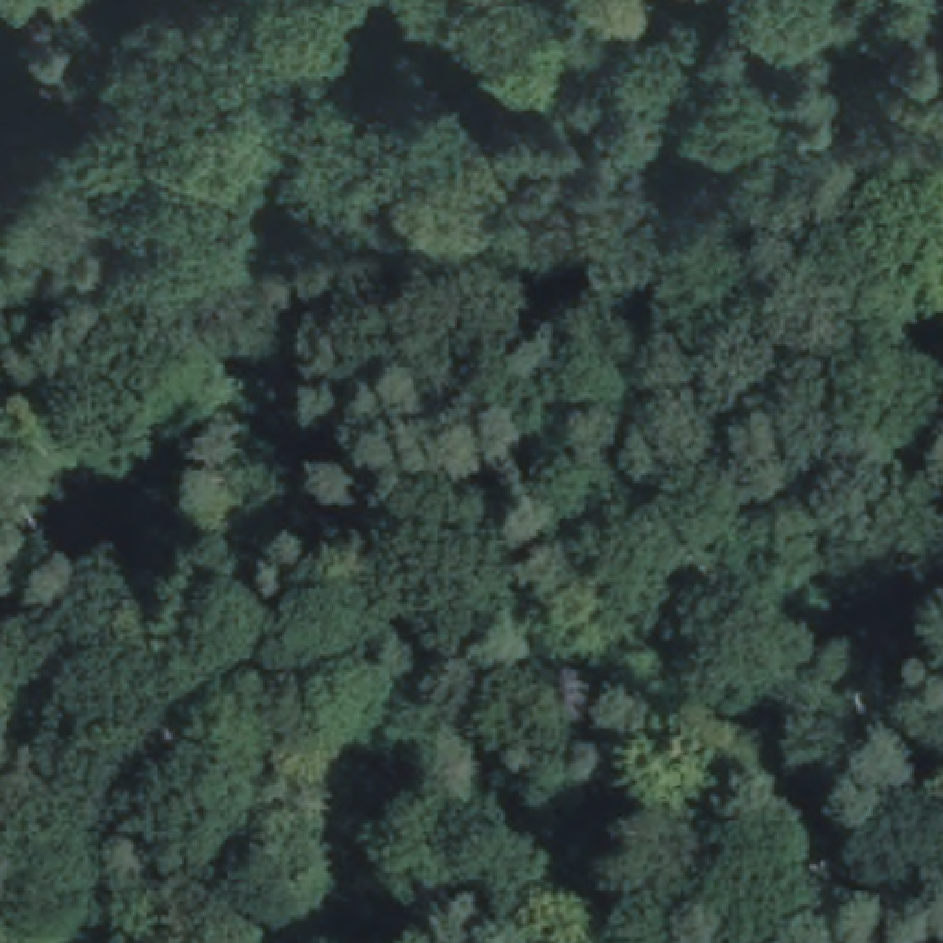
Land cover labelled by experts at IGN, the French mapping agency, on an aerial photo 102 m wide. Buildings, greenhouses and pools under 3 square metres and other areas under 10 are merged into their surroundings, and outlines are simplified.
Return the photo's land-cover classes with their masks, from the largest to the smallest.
<instances>
[{"label":"deciduous trees","instance_id":"1","mask_svg":"<svg viewBox=\"0 0 943 943\"><path fill-rule=\"evenodd\" d=\"M133 162L140 188L133 195H92L88 225L96 239L129 247L133 254H144V243H158V273L144 280L122 276L111 287L107 302L55 317L52 332L37 335L22 357H0V379L15 376L29 383L33 376H48L44 416H37L26 398H7V405L0 409V438L11 442V453L26 446V453L52 475L37 519L22 523V549L7 564V593L26 600L22 615L0 623V943H866L877 925V906L906 910V921L888 936L891 943H943V0H0V236H11V228L22 217H29L44 180L88 177L92 169ZM298 390H328L332 409L313 424H302ZM405 424L416 427L420 449H431L442 435L468 427L475 468L494 464L512 490L516 508L508 512V519L501 527H490L483 519L479 494H453L460 479L453 472H409L398 442V427ZM376 427H383V442L390 453L383 468L354 460L361 438ZM508 611L527 641V656L479 663L472 670L468 696L457 711L453 729L472 748L475 785L464 799H453L446 774L427 770L435 763L438 726L427 711L413 704L420 700V681L427 674H442L446 645H453L457 656H464L468 648L483 645L497 619ZM604 689H623L630 700H641L645 726L630 733L597 726L593 718ZM685 704L704 707L715 722L737 726L751 737L759 763L774 781V792L785 799L774 814L748 807L740 796H733L729 777L744 774V766L729 755H718L707 766L704 785L681 807L659 799L641 803L630 792L623 770L630 740H652L656 751H667L670 715Z\"/></svg>","mask_w":943,"mask_h":943},{"label":"coniferous trees","instance_id":"2","mask_svg":"<svg viewBox=\"0 0 943 943\"><path fill-rule=\"evenodd\" d=\"M140 188L133 162L92 169L88 177L44 180L29 217H22L11 228V236H0V357H22L37 335L52 332L55 317L107 302L111 287L122 276L144 280L158 273V243H144V254H133L129 247L96 239L88 225L92 195H133ZM7 398H26L37 416H44L48 376H33L29 383L15 376L0 379V409L7 405ZM332 409L328 390H298L302 424H313ZM398 442L409 472H453L460 479L453 494H479L483 519L490 527H501L508 519V512L516 508L512 490L494 464L475 468L468 427L442 435L431 449H420L416 427L405 424L398 427ZM354 460L383 468L390 453L383 442V427H376L361 438ZM52 475L26 453V446L11 453V442L0 438V623L22 615L26 600L7 593V564L22 549V523L37 519ZM527 656V641L508 611L497 619L483 645L468 648L464 656H457L453 645H446L442 674H427L420 681V700L413 704L427 711L438 726L435 763L427 770L446 774L453 799H464L475 785L472 748L453 729L457 711L468 696L472 670L479 663ZM597 726L630 733L645 726L641 700H630L623 689H604L593 718ZM718 755H729L744 766V774L729 777L733 796H740L748 807L774 814L785 799L774 792V781L759 763L751 737L737 726L715 722L704 707L685 704L670 715L667 751H656L652 740H630L623 770L630 792L641 803L659 799L681 807L704 785L707 766ZM906 921V910L877 906V925L866 943H891L888 936Z\"/></svg>","mask_w":943,"mask_h":943}]
</instances>
